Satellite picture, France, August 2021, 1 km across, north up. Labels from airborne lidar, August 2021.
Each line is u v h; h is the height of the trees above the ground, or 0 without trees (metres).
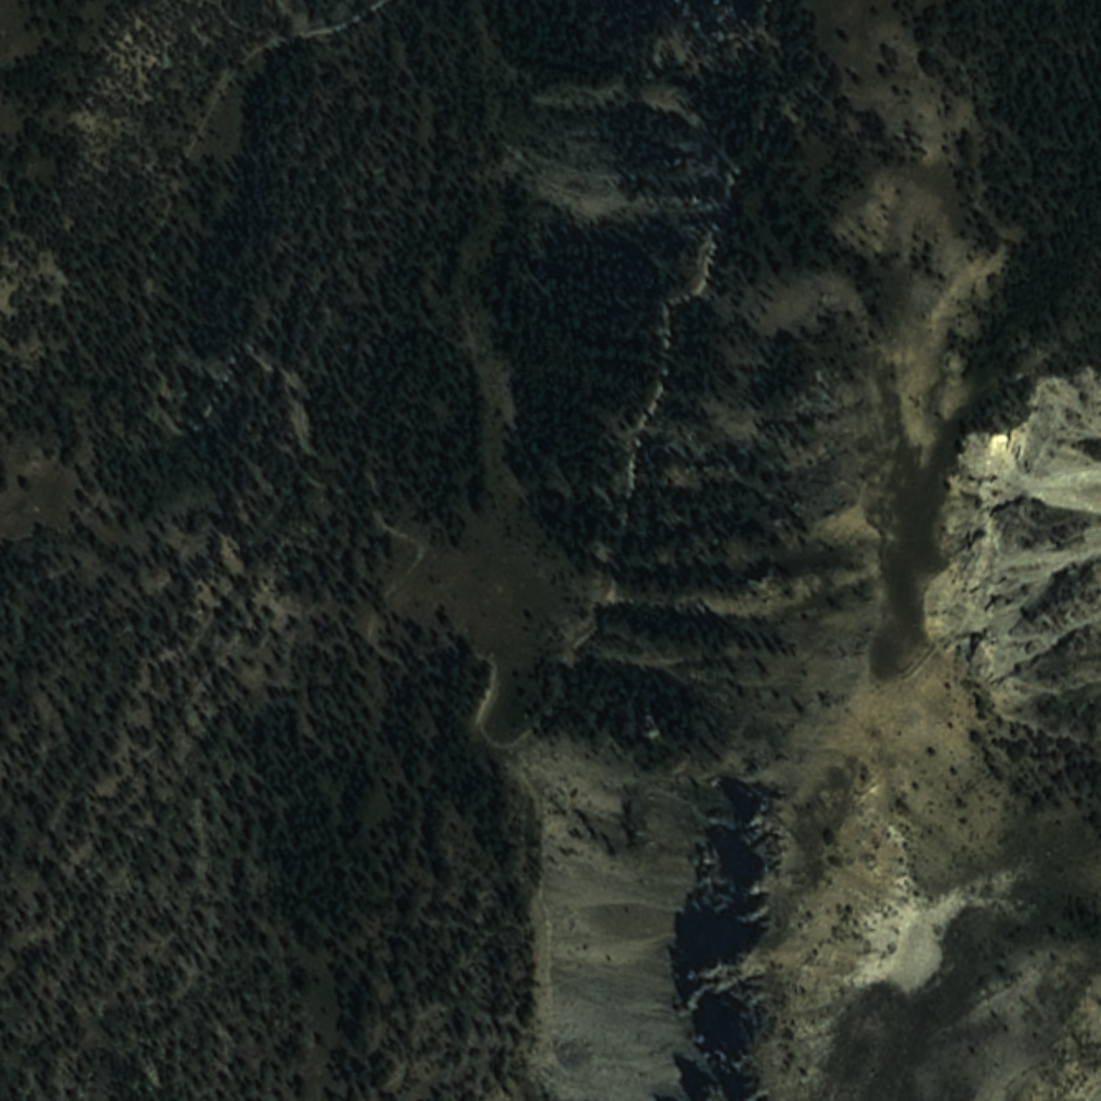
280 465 18
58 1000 0
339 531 18
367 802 18
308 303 12
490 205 14
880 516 0
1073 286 8
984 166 9
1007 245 8
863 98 0
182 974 13
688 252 8
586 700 13
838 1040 0
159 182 8
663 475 10
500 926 18
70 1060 7
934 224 0
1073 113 19
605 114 9
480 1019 0
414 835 14
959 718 0
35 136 17
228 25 13
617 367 8
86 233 17
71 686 13
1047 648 0
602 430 8
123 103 10
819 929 0
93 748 14
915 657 0
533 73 9
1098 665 0
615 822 0
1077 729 7
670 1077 0
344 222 17
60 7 21
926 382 0
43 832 14
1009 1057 0
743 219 17
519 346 15
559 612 0
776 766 0
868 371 0
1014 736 10
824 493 0
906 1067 0
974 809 0
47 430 19
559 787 0
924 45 8
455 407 8
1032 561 0
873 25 0
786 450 0
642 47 9
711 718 0
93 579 0
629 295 7
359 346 15
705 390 14
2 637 12
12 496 0
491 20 11
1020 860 0
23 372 15
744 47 8
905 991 0
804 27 7
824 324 8
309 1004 0
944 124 0
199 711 12
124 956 12
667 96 0
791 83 7
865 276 12
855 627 0
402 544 0
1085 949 0
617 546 17
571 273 13
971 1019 0
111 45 6
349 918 8
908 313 0
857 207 0
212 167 18
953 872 0
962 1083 0
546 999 0
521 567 0
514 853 14
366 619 0
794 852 0
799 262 11
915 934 0
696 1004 0
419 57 17
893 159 6
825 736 0
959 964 0
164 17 10
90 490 17
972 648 0
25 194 20
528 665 0
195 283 18
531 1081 0
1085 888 0
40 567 7
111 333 14
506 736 0
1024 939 0
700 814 0
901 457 0
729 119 12
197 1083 15
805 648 0
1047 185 11
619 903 0
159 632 11
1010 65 6
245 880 17
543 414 14
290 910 10
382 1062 10
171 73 14
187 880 16
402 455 20
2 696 7
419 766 20
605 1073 0
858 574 0
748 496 13
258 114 23
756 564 0
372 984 13
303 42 9
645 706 14
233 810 14
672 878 0
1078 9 19
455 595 0
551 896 0
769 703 0
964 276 0
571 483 14
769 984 0
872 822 0
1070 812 0
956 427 0
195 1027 6
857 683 0
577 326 12
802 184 6
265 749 21
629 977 0
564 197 0
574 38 16
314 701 13
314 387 14
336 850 9
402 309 15
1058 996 0
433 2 14
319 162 15
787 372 7
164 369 16
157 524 0
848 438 0
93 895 12
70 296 10
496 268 7
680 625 15
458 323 8
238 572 0
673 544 19
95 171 6
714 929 0
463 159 13
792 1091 0
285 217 14
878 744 0
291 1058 9
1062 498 0
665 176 8
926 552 0
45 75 14
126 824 11
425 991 12
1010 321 9
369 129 16
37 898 0
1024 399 9
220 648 0
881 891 0
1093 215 18
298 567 18
